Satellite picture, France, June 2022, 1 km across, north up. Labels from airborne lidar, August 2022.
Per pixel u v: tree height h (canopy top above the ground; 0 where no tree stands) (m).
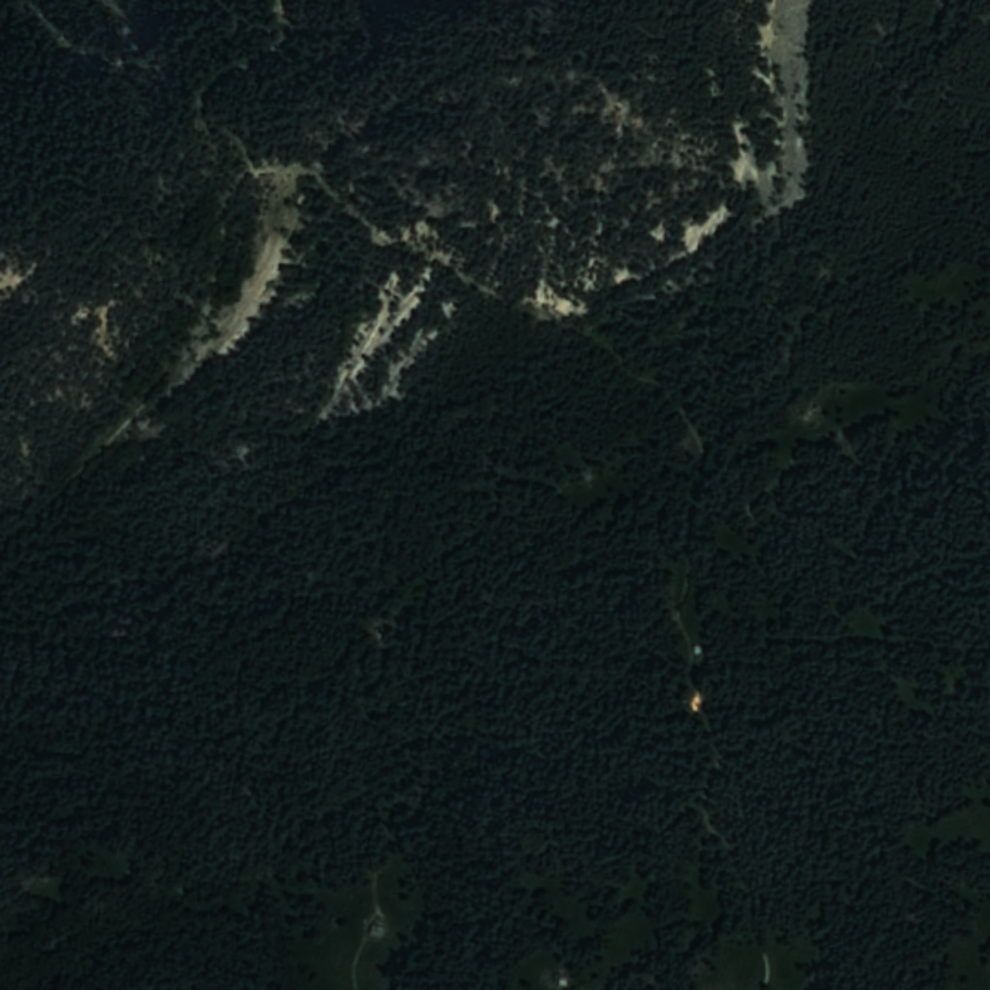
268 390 18
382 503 30
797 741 10
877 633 0
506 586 26
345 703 26
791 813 25
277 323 18
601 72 22
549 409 12
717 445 11
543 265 12
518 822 30
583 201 21
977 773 18
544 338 12
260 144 24
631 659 20
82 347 16
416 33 20
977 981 0
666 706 23
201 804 23
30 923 19
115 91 16
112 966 20
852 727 31
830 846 30
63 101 30
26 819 22
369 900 0
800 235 22
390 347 9
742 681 27
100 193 28
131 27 0
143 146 28
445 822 20
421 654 28
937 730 25
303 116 19
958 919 23
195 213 14
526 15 14
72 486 18
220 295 20
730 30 8
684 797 23
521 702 21
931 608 12
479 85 16
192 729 31
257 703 32
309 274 14
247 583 29
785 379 17
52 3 29
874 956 26
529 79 20
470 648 14
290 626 20
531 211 15
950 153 23
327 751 27
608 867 27
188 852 18
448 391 14
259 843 21
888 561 25
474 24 11
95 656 15
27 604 20
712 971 17
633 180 27
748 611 20
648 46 17
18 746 16
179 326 16
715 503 29
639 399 12
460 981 22
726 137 19
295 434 11
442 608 20
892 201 24
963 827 0
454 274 22
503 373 15
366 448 25
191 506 15
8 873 27
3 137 30
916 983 11
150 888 24
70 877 19
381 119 22
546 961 0
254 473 6
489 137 9
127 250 18
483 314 13
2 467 9
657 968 18
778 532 17
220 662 28
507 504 16
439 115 11
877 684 16
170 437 13
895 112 26
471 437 21
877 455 24
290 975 12
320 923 26
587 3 21
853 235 29
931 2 25
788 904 24
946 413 16
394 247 10
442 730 20
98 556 22
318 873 22
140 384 15
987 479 27
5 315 12
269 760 24
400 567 32
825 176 28
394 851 18
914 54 23
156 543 23
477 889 23
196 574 31
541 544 19
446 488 25
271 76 17
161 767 22
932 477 28
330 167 31
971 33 25
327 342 22
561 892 6
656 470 20
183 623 23
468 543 23
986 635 14
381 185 25
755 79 17
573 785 29
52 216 12
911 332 17
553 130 8
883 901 24
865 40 18
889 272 22
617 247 14
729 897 21
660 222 7
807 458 25
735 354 11
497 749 16
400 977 26
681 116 11
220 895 23
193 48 32
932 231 17
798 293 26
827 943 14
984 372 18
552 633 26
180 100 13
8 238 6
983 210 17
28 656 38
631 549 22
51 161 23
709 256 27
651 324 20
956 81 24
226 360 9
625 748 25
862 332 22
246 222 16
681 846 19
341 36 11
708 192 20
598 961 14
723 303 16
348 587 28
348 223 18
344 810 6
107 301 15
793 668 22
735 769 22
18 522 17
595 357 24
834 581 21
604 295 15
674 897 20
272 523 30
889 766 27
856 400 0
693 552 29
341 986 0
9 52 28
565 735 26
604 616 29
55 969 18
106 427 11
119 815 32
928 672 19
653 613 29
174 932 14
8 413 18
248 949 18
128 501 22
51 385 14
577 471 8
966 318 19
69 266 19
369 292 25
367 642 20
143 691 25
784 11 0
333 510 29
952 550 28
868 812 12
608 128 15
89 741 32
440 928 19
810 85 7
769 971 0
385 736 31
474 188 26
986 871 23
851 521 25
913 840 0
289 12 14
